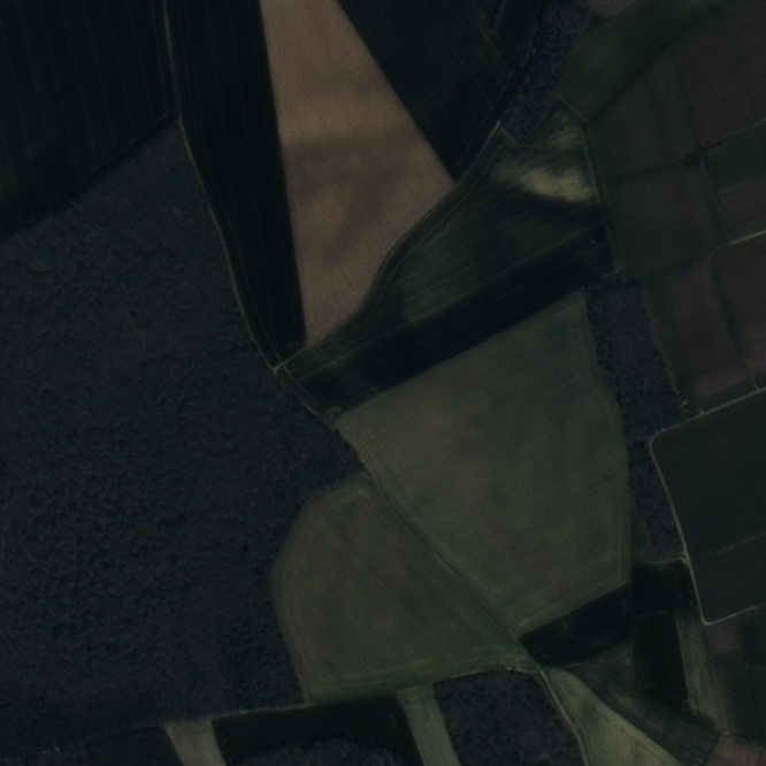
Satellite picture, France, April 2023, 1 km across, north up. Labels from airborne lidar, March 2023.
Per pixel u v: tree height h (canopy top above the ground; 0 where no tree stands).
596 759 0
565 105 0
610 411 0
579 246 0
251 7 0
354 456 13
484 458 0
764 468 0
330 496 0
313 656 0
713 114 0
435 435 0
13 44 0
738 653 0
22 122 0
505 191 0
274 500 20
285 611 0
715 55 0
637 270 0
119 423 16
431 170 0
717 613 0
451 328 0
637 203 0
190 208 19
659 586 0
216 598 18
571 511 0
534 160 0
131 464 18
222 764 0
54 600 18
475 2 0
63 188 0
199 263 17
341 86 0
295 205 0
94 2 0
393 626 0
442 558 0
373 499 0
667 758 0
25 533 13
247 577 19
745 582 0
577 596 0
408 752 0
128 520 15
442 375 0
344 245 0
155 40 0
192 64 0
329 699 0
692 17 0
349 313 0
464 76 0
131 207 14
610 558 0
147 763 14
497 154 0
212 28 0
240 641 17
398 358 0
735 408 0
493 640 0
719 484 0
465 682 7
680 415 14
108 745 15
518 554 0
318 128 0
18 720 12
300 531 0
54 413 18
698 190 0
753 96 0
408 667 0
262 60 0
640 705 0
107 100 0
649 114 0
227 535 20
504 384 0
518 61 0
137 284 21
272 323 0
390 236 0
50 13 0
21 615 15
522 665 0
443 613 0
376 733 0
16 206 0
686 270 0
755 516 0
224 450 17
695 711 0
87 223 21
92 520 16
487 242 0
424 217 0
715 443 0
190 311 15
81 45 0
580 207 0
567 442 0
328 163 0
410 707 0
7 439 19
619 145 0
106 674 16
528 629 0
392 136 0
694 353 0
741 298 0
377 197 0
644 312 13
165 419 18
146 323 19
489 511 0
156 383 19
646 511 10
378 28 0
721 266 0
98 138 0
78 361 20
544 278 0
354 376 0
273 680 15
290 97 0
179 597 15
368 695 0
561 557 0
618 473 0
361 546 0
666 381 13
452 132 0
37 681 14
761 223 0
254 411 18
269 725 0
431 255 0
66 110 0
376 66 0
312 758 14
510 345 0
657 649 0
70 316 22
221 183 0
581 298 0
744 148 0
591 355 0
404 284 0
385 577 0
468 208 0
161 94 0
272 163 0
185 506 19
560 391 0
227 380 18
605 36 0
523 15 0
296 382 0
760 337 0
